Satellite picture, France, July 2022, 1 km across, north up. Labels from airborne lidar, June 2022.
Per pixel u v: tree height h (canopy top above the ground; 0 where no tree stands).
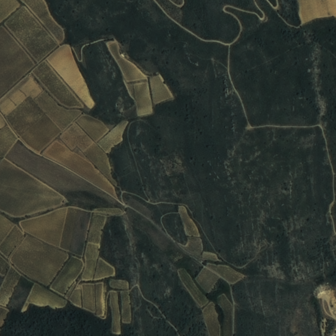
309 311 0
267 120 0
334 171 0
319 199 0
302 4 0
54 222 0
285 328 0
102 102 0
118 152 0
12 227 0
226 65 0
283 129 0
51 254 0
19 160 0
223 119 0
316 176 0
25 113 0
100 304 0
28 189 0
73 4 0
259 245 0
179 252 0
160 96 0
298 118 0
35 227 0
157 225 0
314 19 0
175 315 0
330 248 7
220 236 0
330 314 0
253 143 0
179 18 0
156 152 10
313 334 0
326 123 0
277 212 0
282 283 0
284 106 0
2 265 0
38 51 0
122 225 0
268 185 0
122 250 0
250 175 0
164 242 0
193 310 13
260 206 0
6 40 0
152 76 0
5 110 0
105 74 0
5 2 0
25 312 7
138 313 0
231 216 0
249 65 0
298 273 0
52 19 0
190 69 0
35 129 0
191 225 0
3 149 0
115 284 0
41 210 0
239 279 0
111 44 0
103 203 0
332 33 7
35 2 0
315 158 0
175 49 10
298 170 0
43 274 0
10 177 0
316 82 0
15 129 0
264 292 0
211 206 0
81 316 9
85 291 0
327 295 0
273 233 0
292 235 0
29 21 0
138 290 0
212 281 0
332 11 0
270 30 0
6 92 0
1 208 0
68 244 0
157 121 0
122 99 0
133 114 0
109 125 0
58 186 0
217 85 0
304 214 0
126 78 0
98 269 0
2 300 0
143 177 0
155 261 0
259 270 0
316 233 0
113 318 0
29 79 0
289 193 0
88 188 0
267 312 0
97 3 0
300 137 0
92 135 0
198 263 0
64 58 0
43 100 0
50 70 0
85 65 0
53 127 0
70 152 0
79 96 0
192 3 8
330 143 0
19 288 0
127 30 0
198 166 0
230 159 0
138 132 0
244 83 0
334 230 0
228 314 0
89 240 0
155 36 0
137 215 0
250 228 0
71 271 0
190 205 0
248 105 0
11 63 0
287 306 0
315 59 0
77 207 0
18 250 0
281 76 0
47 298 0
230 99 0
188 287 0
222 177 0
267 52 0
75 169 0
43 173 0
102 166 0
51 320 10
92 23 0
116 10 0
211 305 0
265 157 0
